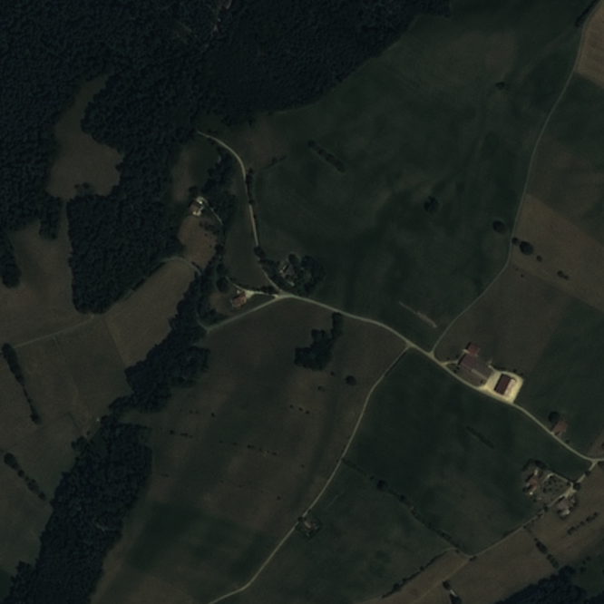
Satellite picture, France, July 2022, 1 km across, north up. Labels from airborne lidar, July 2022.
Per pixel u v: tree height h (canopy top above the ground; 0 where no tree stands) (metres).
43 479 0
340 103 0
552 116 0
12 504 0
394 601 0
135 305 0
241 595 0
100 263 20
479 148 0
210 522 0
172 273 0
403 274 0
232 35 15
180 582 0
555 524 0
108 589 0
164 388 14
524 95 0
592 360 0
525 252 18
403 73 0
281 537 0
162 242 20
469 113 0
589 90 0
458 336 0
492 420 0
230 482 0
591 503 0
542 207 0
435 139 0
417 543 0
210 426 0
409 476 0
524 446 0
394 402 0
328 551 0
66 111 22
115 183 0
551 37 0
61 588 17
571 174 0
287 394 0
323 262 0
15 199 21
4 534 0
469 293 0
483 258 0
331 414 0
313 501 0
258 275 0
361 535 0
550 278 0
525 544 0
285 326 0
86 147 0
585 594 21
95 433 0
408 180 0
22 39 28
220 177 7
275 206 0
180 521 0
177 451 0
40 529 0
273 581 0
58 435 0
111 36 32
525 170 0
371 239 0
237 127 7
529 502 0
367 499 0
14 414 0
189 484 0
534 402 0
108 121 16
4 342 0
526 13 0
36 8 21
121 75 19
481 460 0
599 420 0
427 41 0
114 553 0
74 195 0
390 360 0
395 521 0
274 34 29
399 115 0
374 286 0
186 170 0
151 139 12
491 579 0
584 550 0
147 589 0
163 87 26
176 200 0
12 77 18
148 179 24
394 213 0
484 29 0
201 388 0
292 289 8
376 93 0
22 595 19
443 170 0
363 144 0
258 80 14
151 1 6
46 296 0
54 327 0
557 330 0
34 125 31
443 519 0
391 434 0
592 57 0
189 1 27
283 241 0
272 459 0
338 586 0
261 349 0
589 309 0
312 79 25
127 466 9
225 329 0
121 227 20
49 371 0
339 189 0
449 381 0
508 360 0
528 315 0
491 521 0
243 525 0
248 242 0
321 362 22
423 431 0
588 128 0
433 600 0
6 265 19
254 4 16
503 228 19
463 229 0
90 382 0
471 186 0
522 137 0
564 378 0
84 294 12
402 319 0
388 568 0
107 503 24
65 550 11
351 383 13
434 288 0
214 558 0
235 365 0
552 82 0
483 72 0
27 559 0
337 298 0
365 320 0
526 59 0
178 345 22
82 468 5
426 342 0
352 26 25
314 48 24
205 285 21
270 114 6
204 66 27
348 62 23
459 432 0
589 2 0
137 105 24
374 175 0
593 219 0
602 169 0
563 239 0
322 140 0
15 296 0
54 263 0
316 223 0
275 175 0
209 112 19
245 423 0
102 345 0
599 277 0
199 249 0
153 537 0
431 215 9
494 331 0
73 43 26
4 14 20
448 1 25
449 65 0
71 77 29
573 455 0
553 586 21
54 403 0
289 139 0
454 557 0
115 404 9
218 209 16
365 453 0
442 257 0
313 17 10
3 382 0
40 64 30
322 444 0
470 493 0
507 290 0
